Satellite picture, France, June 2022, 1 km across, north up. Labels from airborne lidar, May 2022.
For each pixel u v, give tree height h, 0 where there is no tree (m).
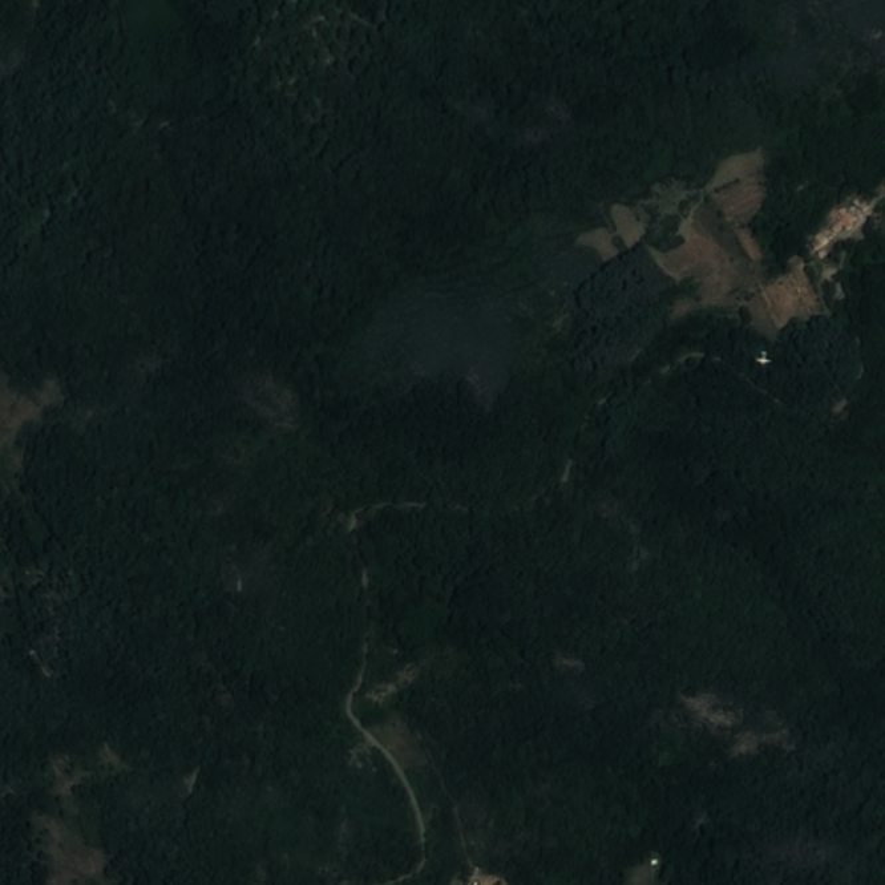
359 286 12
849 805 16
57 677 13
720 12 10
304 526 13
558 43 16
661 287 19
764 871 7
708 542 17
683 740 13
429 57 11
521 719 12
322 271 17
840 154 17
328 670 16
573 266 0
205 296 10
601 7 15
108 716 5
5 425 0
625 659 19
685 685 9
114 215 15
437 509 16
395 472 18
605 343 25
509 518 14
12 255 20
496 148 15
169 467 8
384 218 19
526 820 8
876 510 13
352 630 16
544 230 0
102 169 18
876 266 12
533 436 21
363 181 16
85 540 21
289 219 17
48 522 14
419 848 8
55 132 17
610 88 15
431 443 15
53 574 19
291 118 12
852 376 25
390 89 13
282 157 26
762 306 0
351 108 7
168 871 18
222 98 23
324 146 7
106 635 18
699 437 14
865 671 11
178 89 16
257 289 14
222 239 11
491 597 20
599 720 20
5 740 10
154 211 12
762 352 8
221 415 8
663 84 10
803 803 12
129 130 11
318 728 9
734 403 11
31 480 14
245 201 11
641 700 13
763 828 8
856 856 7
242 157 21
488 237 7
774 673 19
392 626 8
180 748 14
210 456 7
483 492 17
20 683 9
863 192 11
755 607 18
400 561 15
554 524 12
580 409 10
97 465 7
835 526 12
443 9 11
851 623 8
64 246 17
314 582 16
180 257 12
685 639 18
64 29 8
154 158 16
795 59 0
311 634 15
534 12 8
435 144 13
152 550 8
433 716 7
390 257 15
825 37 0
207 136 15
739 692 11
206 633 13
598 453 14
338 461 8
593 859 12
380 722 0
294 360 10
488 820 8
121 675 9
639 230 0
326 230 10
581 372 10
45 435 10
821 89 9
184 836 11
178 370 10
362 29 7
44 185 18
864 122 15
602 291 19
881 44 0
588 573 14
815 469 14
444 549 12
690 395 11
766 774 12
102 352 14
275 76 9
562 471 10
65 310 17
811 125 12
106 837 10
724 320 8
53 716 12
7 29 9
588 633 18
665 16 15
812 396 16
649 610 17
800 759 9
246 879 15
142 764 6
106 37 13
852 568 14
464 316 0
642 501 11
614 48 12
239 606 10
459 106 10
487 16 13
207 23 12
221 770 9
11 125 18
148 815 10
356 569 10
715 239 0
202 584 7
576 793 11
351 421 10
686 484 19
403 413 12
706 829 13
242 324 9
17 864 13
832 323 23
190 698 15
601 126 10
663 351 9
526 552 12
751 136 0
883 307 15
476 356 0
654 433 13
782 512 11
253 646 13
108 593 16
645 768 22
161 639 14
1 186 12
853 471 15
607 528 12
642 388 17
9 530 13
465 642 12
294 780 10
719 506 27
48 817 0
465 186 11
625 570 12
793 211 18
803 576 13
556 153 8
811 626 18
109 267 7
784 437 16
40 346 11
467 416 16
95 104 15
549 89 13
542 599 18
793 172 9
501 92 16
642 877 0
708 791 20
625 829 13
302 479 11
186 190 15
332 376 11
